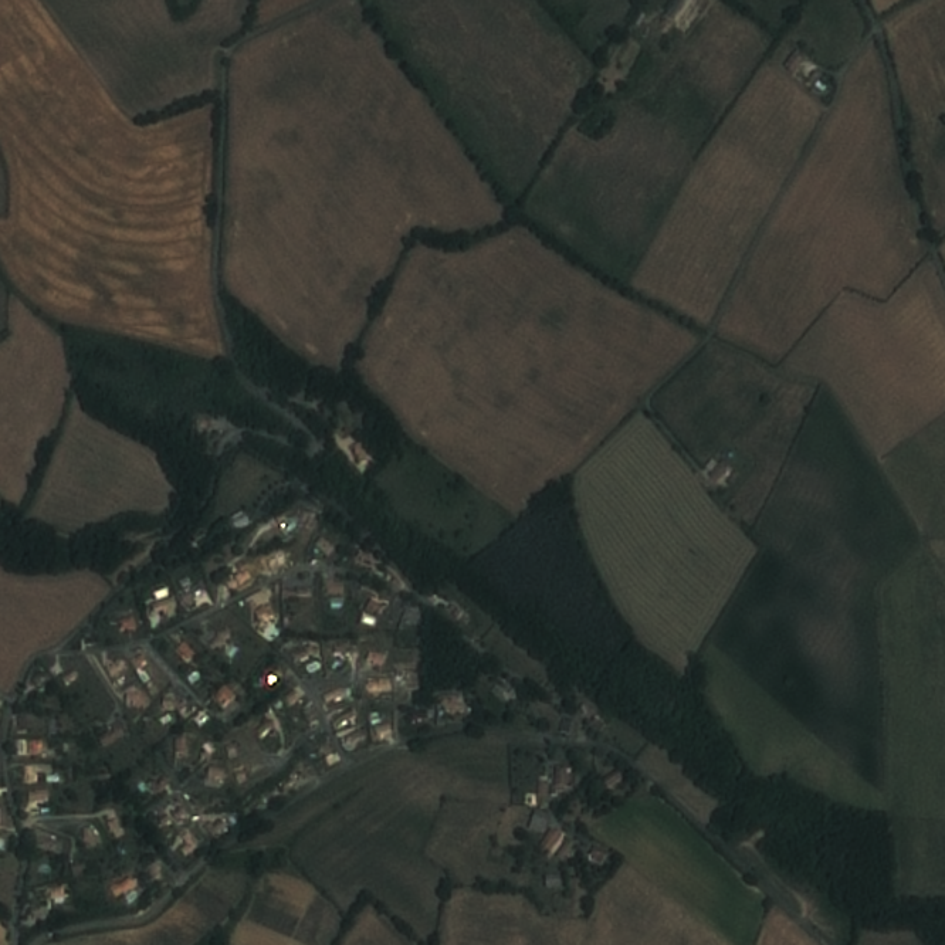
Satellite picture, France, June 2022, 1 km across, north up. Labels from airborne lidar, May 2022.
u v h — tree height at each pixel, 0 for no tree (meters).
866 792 0
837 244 0
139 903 7
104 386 7
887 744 0
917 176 17
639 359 0
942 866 0
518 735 0
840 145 0
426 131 0
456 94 0
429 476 0
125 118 0
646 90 0
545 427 0
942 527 0
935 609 0
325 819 0
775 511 0
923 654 0
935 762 0
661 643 0
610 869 9
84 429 0
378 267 0
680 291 0
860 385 0
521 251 0
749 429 0
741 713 0
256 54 0
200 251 0
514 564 15
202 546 10
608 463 0
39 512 0
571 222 0
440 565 14
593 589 14
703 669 14
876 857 16
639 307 0
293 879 0
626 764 9
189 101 14
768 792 14
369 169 0
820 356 0
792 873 6
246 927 0
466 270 0
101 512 0
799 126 0
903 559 0
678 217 0
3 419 0
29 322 0
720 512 0
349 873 0
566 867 8
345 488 7
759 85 0
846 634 0
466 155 8
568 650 8
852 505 0
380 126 0
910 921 19
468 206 0
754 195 0
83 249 0
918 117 0
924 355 0
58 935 10
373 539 9
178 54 0
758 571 0
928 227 12
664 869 0
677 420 0
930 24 0
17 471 0
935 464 0
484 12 0
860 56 0
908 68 0
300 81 0
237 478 0
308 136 0
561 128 6
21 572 9
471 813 0
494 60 0
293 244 0
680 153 0
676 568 0
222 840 13
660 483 0
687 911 0
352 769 0
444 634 19
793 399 0
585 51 8
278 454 11
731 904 0
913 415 0
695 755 14
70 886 8
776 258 0
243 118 0
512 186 0
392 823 0
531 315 0
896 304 0
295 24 0
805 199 0
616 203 0
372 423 15
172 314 0
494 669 16
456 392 0
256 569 0
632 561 0
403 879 0
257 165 0
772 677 0
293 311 0
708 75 0
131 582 10
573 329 0
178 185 0
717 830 16
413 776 0
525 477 0
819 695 0
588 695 7
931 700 0
